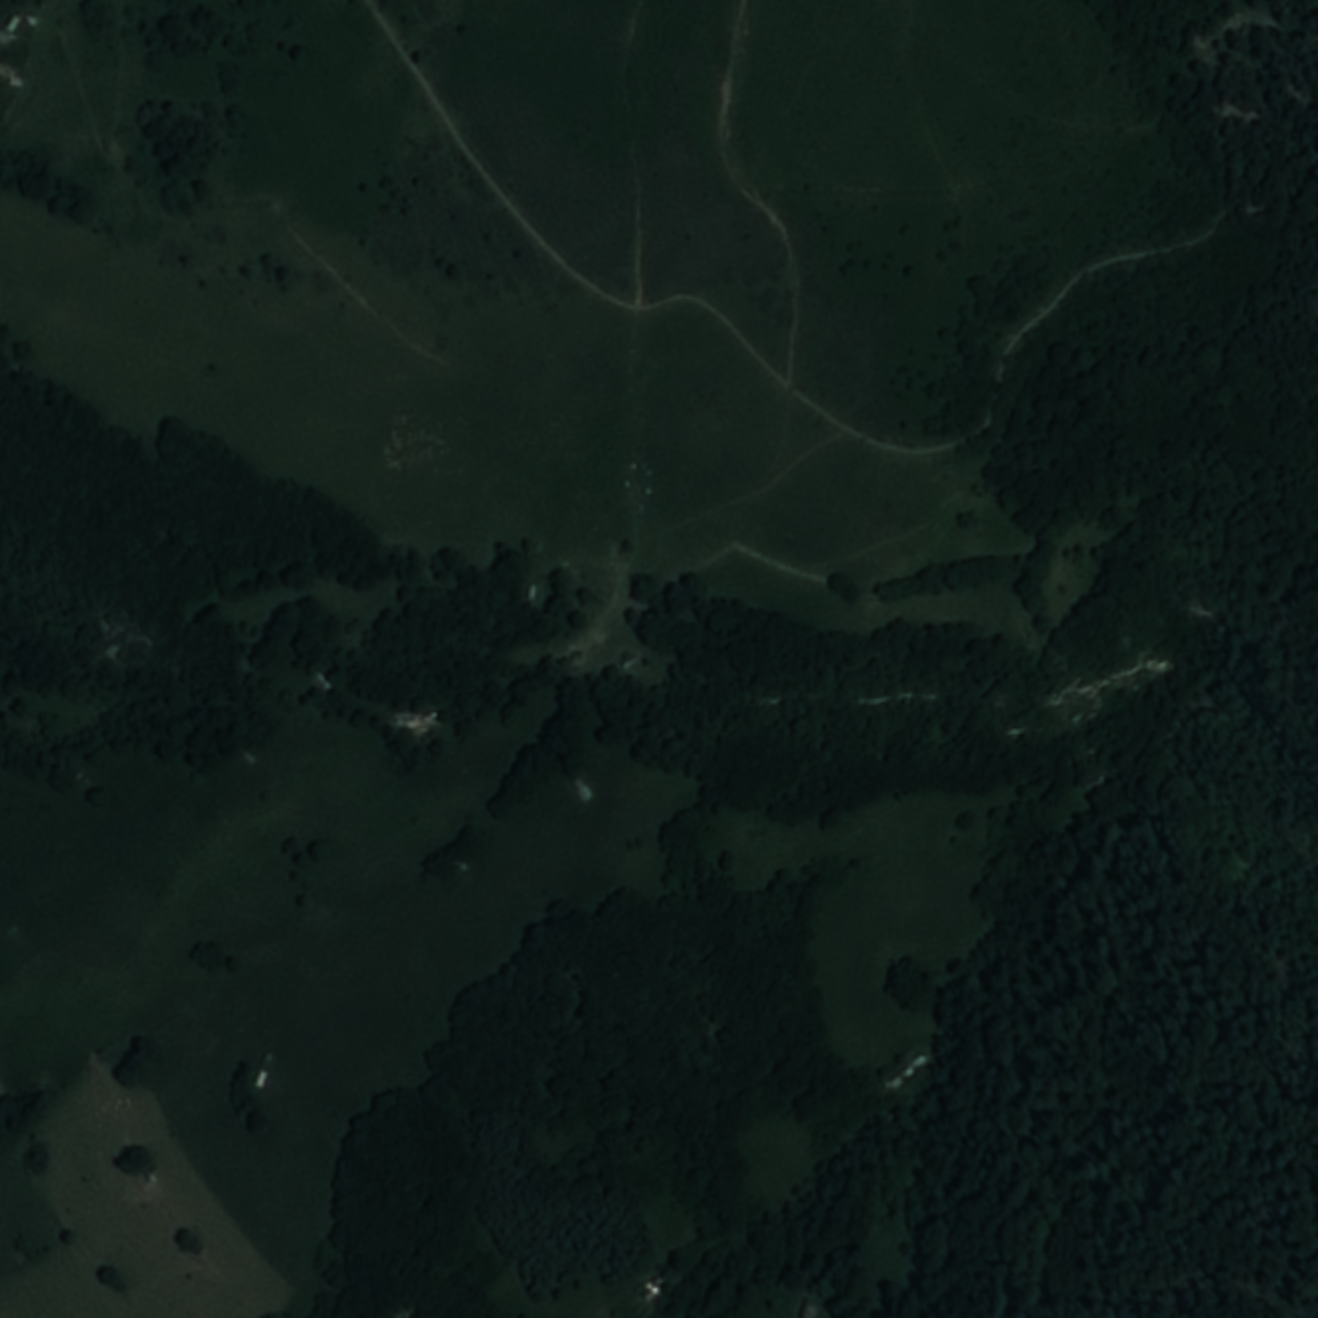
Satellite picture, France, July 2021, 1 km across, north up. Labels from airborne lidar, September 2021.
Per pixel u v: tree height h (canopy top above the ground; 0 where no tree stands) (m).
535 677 14
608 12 0
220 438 10
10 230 0
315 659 20
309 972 0
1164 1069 11
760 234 0
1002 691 17
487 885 0
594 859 0
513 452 0
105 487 20
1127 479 13
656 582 18
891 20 0
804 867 6
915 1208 14
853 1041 0
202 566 19
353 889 0
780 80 0
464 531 0
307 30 0
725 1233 15
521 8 0
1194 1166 35
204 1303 0
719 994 26
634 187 0
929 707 12
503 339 0
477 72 0
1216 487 23
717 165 0
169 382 0
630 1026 25
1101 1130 9
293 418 0
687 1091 33
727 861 19
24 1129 15
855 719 16
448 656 15
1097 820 21
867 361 0
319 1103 0
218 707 16
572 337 0
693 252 0
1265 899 26
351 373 0
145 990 0
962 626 15
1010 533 0
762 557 0
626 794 0
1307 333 22
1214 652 13
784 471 0
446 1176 23
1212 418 24
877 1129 22
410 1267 29
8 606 20
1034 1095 34
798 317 0
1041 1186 34
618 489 0
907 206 0
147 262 0
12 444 17
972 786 19
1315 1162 7
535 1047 33
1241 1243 28
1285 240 22
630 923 27
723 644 20
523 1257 18
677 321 0
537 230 0
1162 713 24
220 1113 0
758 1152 0
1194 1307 30
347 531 20
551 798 0
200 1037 0
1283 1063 31
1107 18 11
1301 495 21
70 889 0
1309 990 23
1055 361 26
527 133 0
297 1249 0
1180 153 7
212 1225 0
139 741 16
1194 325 9
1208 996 13
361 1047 0
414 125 0
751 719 18
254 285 0
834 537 0
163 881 0
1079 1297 14
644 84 0
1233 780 10
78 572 14
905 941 0
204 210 0
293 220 0
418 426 0
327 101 0
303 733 0
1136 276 8
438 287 0
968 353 13
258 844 0
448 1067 25
